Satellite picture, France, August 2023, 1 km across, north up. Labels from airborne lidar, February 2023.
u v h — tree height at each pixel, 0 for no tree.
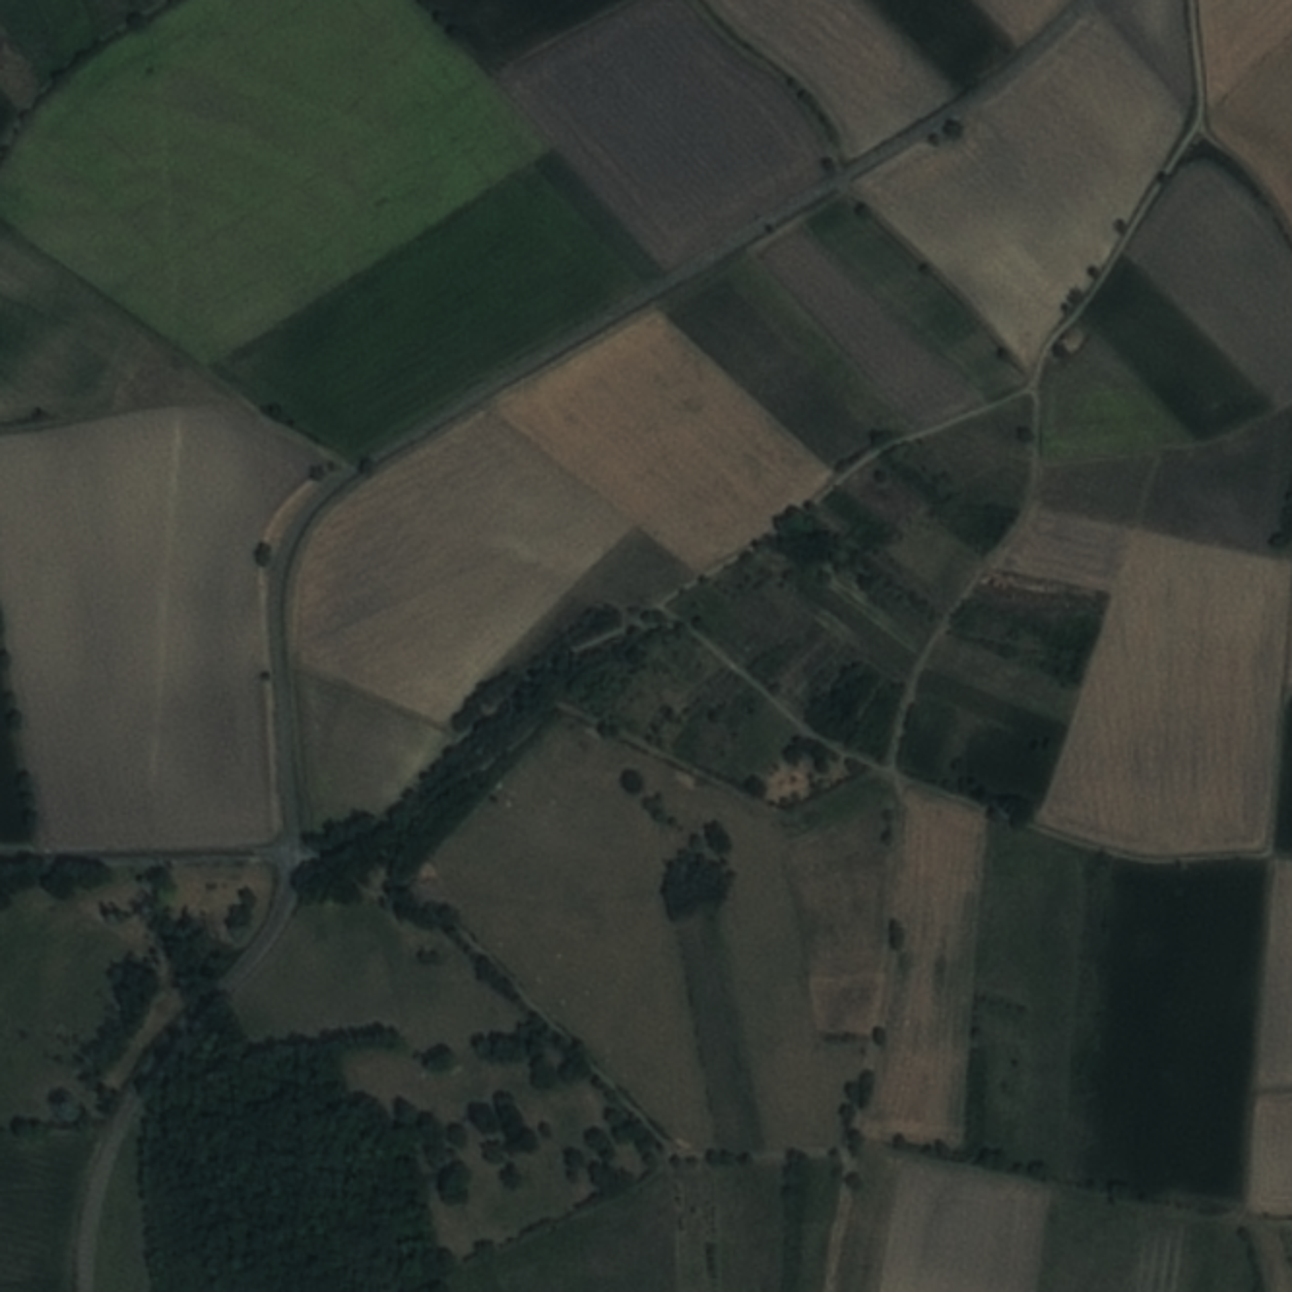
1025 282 0
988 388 0
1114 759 0
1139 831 0
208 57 0
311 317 0
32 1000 0
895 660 0
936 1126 0
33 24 0
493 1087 0
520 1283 0
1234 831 0
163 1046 0
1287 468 0
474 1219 0
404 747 0
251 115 0
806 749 7
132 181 0
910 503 0
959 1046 0
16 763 0
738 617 0
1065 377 0
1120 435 0
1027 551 0
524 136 0
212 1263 12
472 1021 0
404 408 0
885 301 0
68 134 0
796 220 0
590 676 6
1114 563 0
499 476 0
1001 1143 0
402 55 0
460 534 0
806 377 0
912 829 0
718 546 0
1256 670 0
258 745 0
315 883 18
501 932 0
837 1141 0
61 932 0
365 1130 17
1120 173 0
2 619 8
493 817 0
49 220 0
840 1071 0
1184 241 0
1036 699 0
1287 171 0
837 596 0
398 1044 12
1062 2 0
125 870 0
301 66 0
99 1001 0
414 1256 9
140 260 0
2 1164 0
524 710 11
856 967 0
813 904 0
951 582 0
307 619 0
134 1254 0
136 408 0
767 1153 0
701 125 0
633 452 0
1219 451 0
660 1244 0
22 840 0
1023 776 0
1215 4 0
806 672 0
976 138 0
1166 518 0
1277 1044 0
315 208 0
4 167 0
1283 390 0
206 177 0
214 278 0
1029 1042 0
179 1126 21
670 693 0
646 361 0
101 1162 0
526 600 0
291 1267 11
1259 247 0
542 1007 0
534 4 0
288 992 0
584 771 0
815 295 0
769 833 0
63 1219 0
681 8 0
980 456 0
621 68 0
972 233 0
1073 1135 0
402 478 0
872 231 0
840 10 0
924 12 0
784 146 0
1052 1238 0
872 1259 0
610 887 0
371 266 0
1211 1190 0
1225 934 0
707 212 0
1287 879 0
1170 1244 0
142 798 0
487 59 0
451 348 0
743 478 0
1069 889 0
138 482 0
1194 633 0
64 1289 0
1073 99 0
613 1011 0
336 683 0
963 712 0
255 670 0
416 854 12
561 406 0
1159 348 0
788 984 0
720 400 0
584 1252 0
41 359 0
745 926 0
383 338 0
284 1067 13
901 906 0
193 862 0
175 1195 13
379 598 0
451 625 0
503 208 0
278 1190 18
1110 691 0
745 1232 0
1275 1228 0
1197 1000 0
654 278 0
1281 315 0
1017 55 0
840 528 0
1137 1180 0
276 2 0
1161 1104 0
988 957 0
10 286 0
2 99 0
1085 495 0
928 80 0
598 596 0
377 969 0
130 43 0
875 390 0
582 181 0
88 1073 21
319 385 0
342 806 0
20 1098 0
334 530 0
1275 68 0
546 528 0
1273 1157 0
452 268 0
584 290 0
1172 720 0
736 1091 0
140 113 0
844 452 0
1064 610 0
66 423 0
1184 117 0
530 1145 14
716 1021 0
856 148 0
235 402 0
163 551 0
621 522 0
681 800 0
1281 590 0
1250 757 0
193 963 14
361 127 0
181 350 0
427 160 0
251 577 0
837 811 0
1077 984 0
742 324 0
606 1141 11
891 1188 0
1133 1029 0
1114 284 0
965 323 0
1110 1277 0
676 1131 0
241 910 9
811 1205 0
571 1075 13
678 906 11
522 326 0
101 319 0
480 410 0
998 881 0
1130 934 0
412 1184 15
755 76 0
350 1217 16
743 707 0
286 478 0
